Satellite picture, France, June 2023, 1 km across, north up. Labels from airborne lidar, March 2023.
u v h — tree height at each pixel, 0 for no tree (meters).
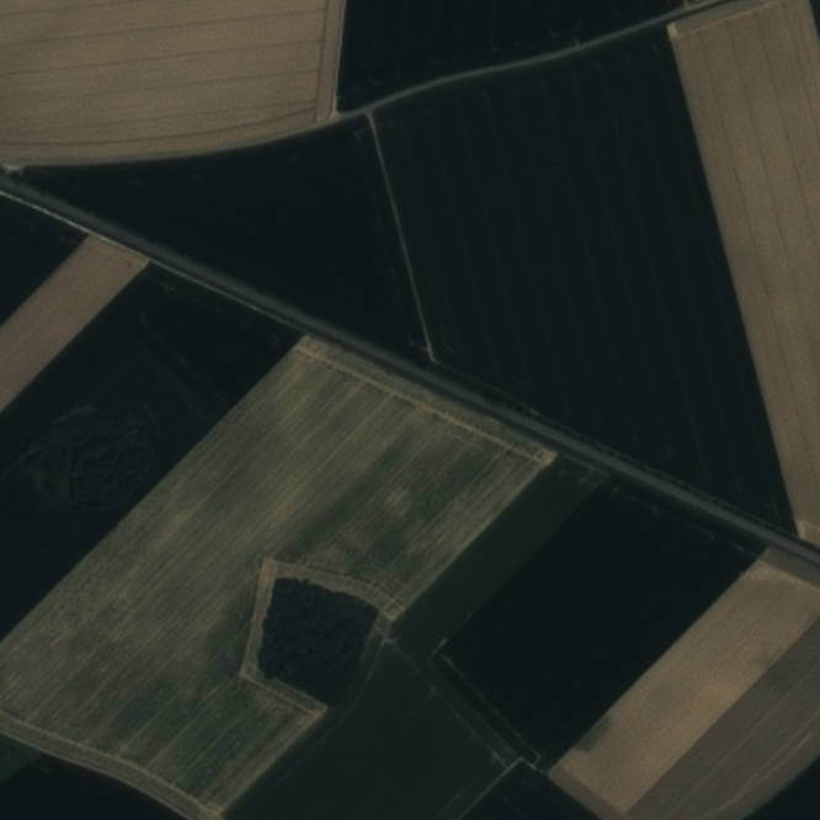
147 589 0
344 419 0
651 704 0
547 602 0
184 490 0
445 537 0
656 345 0
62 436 18
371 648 0
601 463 0
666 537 0
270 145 0
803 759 0
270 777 0
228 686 0
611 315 0
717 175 0
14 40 0
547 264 0
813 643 0
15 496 0
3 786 0
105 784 0
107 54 0
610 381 0
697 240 0
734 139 0
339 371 0
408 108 0
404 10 0
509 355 0
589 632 0
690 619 0
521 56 0
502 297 0
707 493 0
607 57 0
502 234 0
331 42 0
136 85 0
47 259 0
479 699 0
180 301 0
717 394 0
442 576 0
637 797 0
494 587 0
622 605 0
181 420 0
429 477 0
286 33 0
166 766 0
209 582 0
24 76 0
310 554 0
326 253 0
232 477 0
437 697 0
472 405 0
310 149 0
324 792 0
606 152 0
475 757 0
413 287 0
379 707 0
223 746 0
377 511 0
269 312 0
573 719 0
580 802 0
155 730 0
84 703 0
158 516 0
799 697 0
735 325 0
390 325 0
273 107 0
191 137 0
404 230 0
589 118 0
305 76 0
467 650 0
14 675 0
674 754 0
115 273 0
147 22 0
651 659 0
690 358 0
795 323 0
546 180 0
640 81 0
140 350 0
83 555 0
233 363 0
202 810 0
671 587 0
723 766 0
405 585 0
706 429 0
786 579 0
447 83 0
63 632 0
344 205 0
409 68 0
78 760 0
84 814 0
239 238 0
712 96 0
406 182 0
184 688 0
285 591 14
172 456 0
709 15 0
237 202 0
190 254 0
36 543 0
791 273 0
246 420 0
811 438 0
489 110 0
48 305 0
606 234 0
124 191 0
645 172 0
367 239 0
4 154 0
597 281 0
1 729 0
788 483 0
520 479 0
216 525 0
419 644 0
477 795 0
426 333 0
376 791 0
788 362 0
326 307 0
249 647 0
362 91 0
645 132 0
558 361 0
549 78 0
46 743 0
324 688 13
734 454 0
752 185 0
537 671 0
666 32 0
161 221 0
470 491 0
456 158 0
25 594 0
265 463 0
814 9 0
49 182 0
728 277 0
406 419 0
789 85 0
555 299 0
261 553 0
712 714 0
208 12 0
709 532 0
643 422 0
